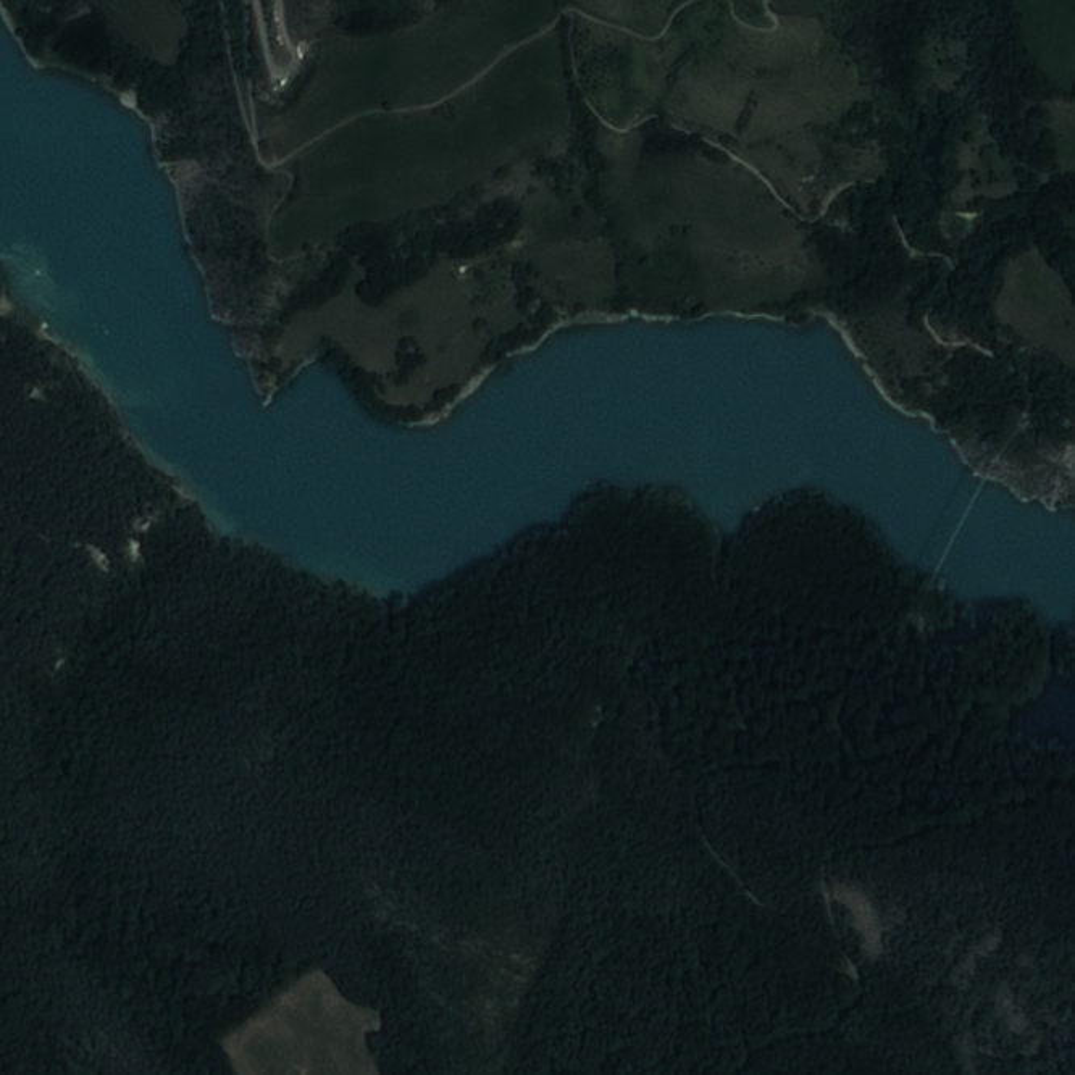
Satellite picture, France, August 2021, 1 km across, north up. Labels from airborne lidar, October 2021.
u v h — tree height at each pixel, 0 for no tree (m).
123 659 17
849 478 0
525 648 15
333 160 0
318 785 7
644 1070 19
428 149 0
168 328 0
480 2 0
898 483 0
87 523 9
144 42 0
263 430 0
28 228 0
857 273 7
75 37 12
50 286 0
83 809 14
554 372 0
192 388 0
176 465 0
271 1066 0
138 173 0
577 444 0
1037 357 8
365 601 15
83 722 25
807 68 0
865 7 11
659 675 16
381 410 11
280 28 0
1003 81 17
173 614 10
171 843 15
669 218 0
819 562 20
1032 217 10
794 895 11
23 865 10
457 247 12
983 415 8
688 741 15
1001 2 17
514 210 10
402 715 19
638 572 20
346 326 0
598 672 13
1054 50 0
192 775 9
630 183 0
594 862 9
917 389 10
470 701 13
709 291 0
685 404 0
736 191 0
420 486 0
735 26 0
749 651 19
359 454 0
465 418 0
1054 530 0
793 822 14
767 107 0
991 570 0
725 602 23
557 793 16
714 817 13
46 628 15
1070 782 16
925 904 8
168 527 6
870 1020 14
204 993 19
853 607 19
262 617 16
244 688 7
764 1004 17
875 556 14
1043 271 0
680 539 18
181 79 9
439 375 0
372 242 14
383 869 7
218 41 7
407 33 0
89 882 17
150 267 0
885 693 24
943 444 0
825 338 0
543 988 14
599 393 0
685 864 13
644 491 9
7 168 0
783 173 0
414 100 0
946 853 18
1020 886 14
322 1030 0
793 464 0
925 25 13
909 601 12
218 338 0
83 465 12
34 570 10
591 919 14
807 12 0
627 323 0
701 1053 26
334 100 0
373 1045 12
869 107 9
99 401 9
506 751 16
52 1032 18
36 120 0
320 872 14
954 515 0
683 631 16
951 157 10
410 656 20
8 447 11
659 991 23
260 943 16
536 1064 18
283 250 0
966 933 10
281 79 0
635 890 14
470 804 19
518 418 0
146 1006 22
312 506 0
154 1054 14
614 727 14
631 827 9
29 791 11
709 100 0
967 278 10
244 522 0
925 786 28
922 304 11
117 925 8
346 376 16
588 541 17
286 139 0
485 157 0
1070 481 6
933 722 29
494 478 0
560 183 9
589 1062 20
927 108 7
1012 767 21
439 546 0
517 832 13
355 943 13
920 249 10
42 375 12
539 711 14
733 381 0
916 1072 15
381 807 12
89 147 0
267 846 8
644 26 0
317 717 11
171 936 18
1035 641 11
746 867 13
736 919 23
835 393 0
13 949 16
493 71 0
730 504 0
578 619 18
